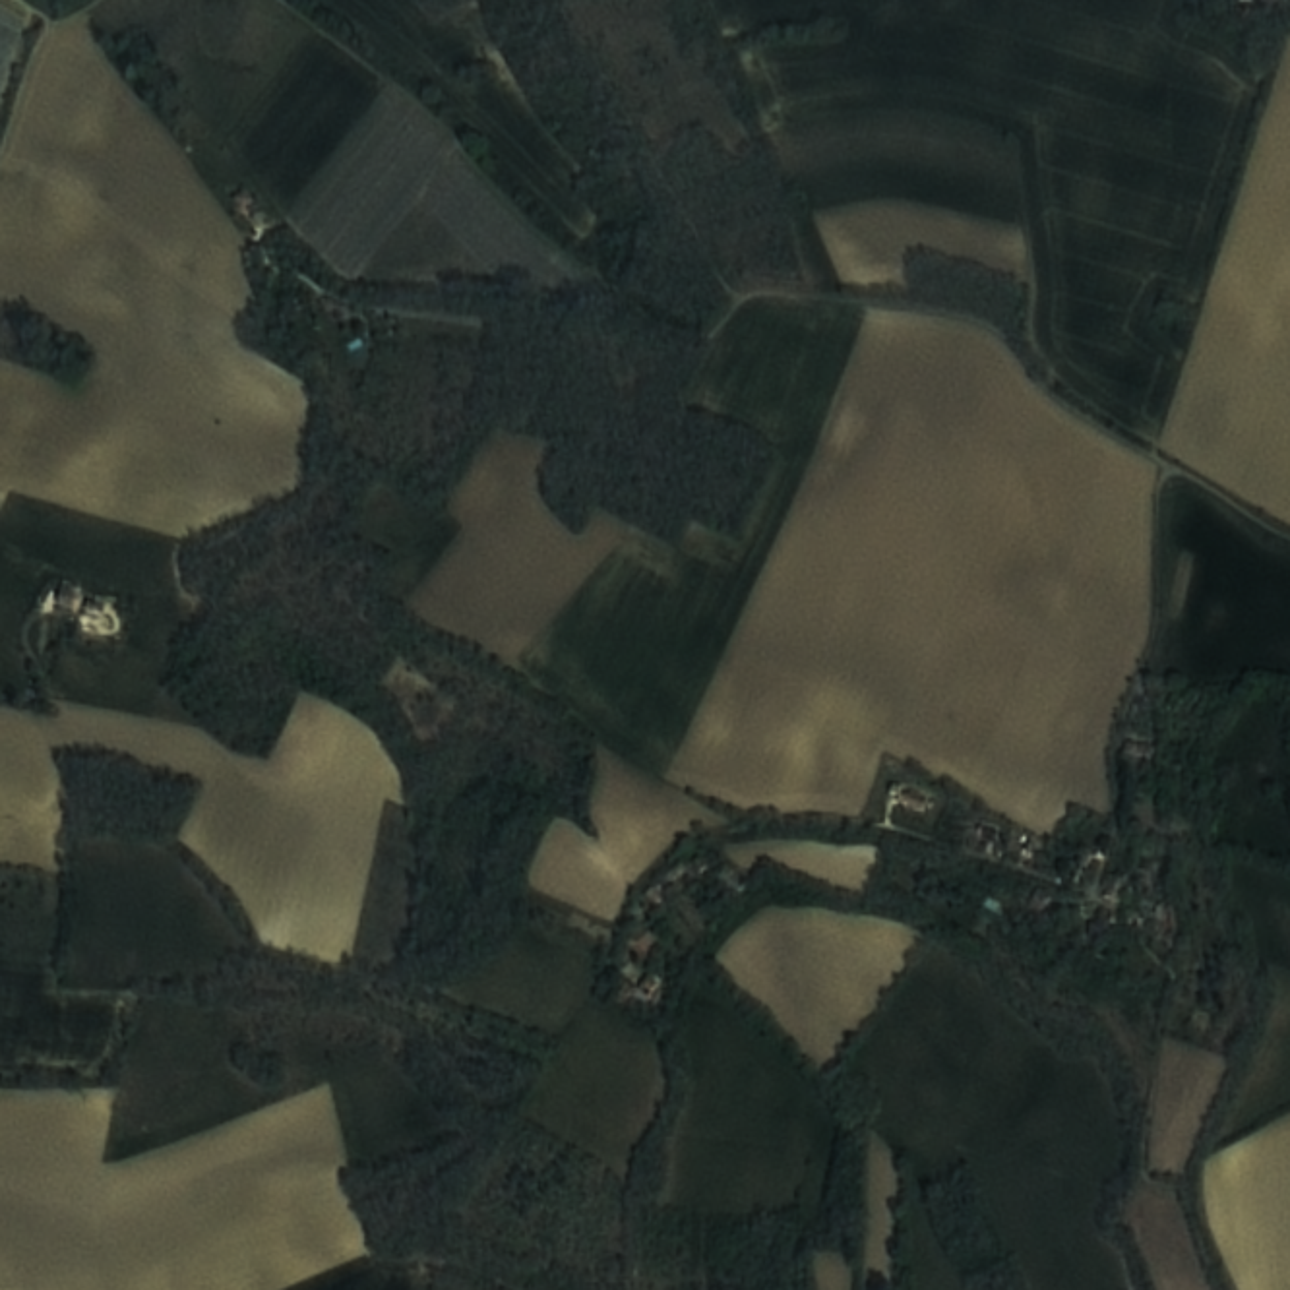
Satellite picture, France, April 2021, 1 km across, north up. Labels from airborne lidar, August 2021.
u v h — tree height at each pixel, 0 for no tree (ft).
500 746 41
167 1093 0
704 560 0
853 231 0
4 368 0
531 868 18
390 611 44
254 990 23
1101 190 0
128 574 0
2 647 0
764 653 0
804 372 0
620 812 0
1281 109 0
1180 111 0
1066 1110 0
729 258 43
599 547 0
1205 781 44
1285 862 44
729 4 0
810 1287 58
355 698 43
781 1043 52
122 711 0
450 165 0
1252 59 49
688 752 0
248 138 0
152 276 0
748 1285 41
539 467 0
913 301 35
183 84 35
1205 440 0
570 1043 0
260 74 0
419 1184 33
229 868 0
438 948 47
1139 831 49
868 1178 47
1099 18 0
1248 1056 62
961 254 0
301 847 0
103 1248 0
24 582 0
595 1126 0
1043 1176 0
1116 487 0
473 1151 47
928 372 0
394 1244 47
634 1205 45
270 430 0
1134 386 0
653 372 53
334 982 24
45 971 0
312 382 34
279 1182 0
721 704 0
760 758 0
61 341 45
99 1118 0
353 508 36
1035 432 0
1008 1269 38
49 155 0
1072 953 41
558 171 0
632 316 66
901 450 0
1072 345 0
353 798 0
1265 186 0
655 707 0
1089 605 0
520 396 53
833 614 0
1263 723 0
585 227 0
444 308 36
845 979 0
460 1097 42
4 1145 0
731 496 54
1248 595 0
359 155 0
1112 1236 35
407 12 0
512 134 0
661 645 0
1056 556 0
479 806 68
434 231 0
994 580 0
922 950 41
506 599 0
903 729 0
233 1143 0
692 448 58
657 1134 40
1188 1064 0
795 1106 0
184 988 48
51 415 0
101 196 0
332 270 47
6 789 0
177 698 43
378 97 0
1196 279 0
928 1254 0
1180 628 0
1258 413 0
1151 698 45
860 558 0
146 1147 0
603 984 27
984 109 0
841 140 0
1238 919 42
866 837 30
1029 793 0
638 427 46
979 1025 0
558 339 51
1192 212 0
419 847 45
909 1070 0
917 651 0
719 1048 0
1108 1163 0
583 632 0
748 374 0
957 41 0
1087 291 0
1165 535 0
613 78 27
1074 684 0
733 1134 0
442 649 25
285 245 34
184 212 0
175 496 0
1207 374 0
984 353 0
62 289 0
